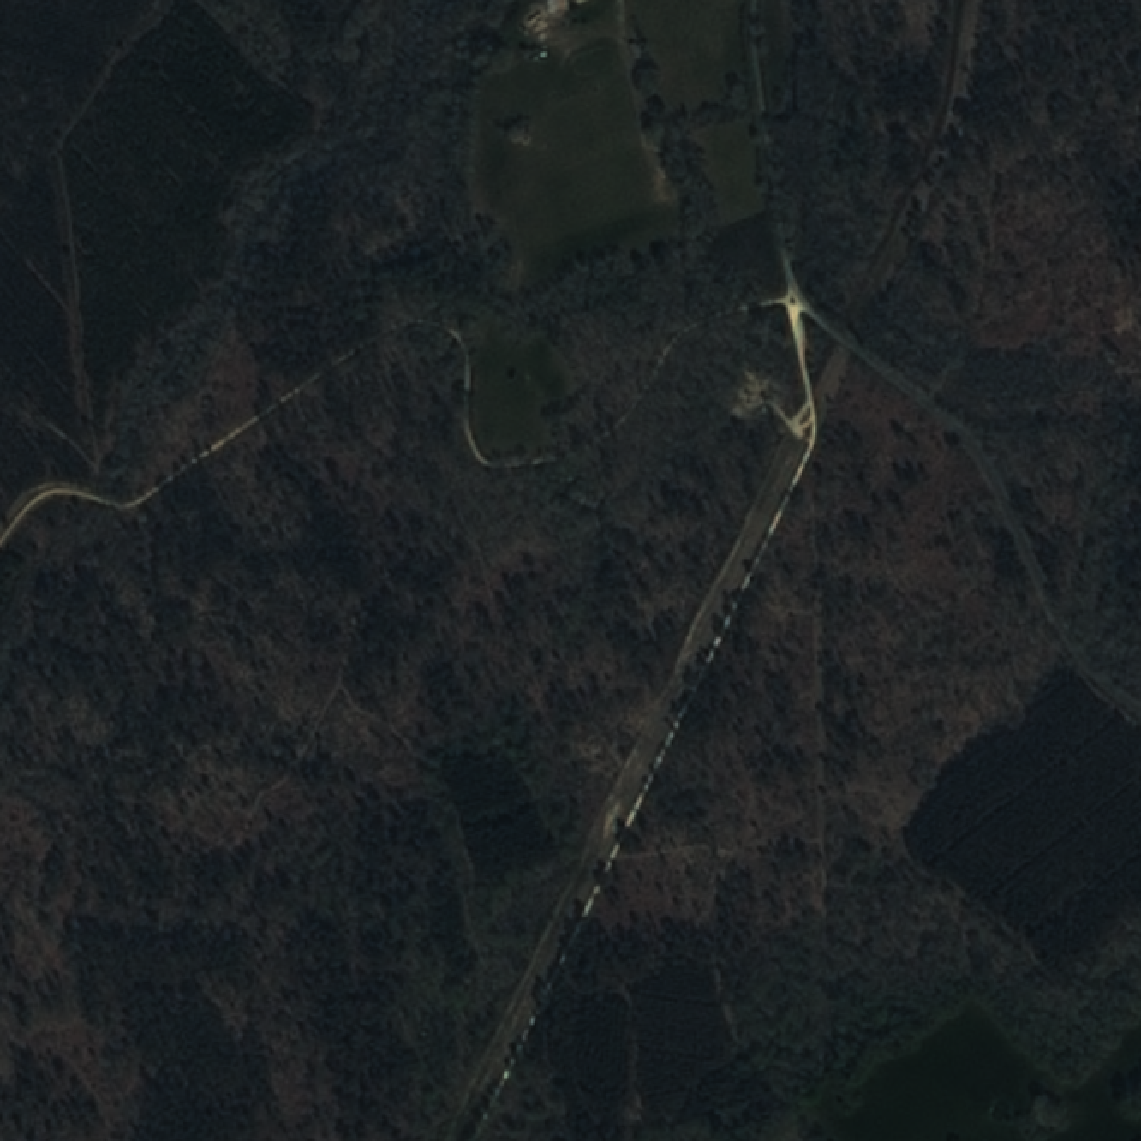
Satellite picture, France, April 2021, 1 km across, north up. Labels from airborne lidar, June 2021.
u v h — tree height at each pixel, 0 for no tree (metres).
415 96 18
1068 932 13
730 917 15
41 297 11
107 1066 11
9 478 12
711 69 0
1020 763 14
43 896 13
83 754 8
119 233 9
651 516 9
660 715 0
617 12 0
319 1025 7
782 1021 26
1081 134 9
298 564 11
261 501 7
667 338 17
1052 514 11
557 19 0
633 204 0
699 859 0
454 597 10
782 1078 17
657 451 17
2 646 16
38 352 12
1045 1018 22
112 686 18
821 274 6
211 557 16
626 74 0
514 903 8
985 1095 0
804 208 10
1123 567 11
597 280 20
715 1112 8
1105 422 7
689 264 22
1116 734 16
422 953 14
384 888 14
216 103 10
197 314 15
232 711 7
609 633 17
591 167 0
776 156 13
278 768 15
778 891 12
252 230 8
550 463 8
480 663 11
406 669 11
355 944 21
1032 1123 10
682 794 10
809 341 13
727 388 18
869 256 16
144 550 6
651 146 13
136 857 23
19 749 11
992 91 15
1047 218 8
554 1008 13
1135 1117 22
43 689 10
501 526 16
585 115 0
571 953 20
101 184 12
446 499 13
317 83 11
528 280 0
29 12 10
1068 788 16
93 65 11
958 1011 20
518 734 22
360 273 19
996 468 17
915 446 15
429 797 12
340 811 6
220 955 22
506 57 19
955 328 17
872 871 17
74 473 15
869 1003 21
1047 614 12
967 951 20
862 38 15
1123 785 15
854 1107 14
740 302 15
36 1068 12
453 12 21
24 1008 16
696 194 11
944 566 7
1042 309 9
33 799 15
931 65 16
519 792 15
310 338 22
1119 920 16
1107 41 14
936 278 23
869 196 16
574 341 13
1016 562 18
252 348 13
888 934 19
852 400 8
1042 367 12
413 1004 16
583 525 23
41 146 9
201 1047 24
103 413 9
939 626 14
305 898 12
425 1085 11
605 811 0
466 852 13
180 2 9
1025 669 13
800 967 28
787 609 11
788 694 11
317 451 8
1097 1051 18
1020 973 20
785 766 19
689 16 0
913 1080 0
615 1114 19
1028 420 7
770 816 11
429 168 16
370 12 22
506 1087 11
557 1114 9
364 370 15
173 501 15
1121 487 12
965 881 17
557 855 14
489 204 0
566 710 24
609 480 17
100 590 19
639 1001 13
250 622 15
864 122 26
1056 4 25
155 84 12
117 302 11
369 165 17
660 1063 14
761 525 0
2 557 8
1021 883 14
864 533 16
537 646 30
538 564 12
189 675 11
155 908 7
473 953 8
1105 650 8
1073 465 16
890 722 8
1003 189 9
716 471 12
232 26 11
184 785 17
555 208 0
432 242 25
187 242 6
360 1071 17
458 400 10
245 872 17
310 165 11
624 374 15
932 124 8
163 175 8
